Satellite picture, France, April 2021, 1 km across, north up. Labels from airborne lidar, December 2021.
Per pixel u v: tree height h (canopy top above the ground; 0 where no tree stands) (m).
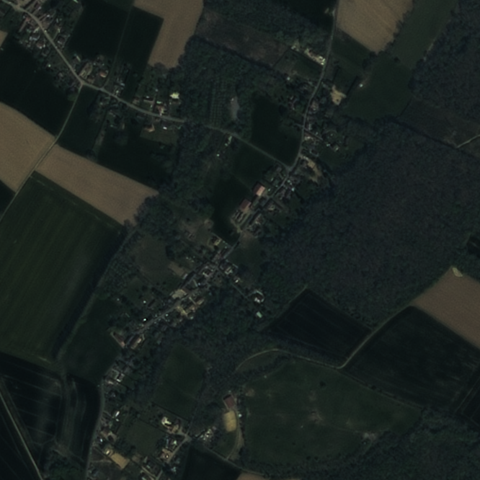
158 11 0
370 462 8
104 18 0
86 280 0
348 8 0
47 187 0
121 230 0
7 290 0
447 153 17
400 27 18
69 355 0
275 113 0
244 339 22
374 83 0
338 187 22
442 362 0
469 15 24
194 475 0
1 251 0
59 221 0
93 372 0
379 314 15
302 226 20
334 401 0
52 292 0
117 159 0
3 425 0
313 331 0
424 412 8
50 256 0
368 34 0
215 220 0
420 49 0
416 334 0
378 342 0
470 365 0
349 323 0
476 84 19
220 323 25
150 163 0
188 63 20
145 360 10
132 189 0
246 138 17
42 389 0
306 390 0
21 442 0
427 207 19
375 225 20
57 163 0
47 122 0
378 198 25
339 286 17
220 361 20
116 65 0
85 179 0
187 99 19
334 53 0
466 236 16
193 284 7
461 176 14
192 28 0
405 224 16
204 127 19
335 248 26
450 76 18
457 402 0
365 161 23
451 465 18
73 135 0
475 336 0
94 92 0
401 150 25
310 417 0
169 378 0
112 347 0
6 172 0
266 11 21
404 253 15
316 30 31
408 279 20
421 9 0
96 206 0
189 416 0
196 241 0
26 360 0
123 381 0
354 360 0
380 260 25
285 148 0
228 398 0
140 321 5
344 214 25
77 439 0
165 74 15
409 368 0
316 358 11
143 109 0
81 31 0
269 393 0
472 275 13
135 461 0
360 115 0
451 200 16
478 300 0
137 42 0
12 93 0
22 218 0
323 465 16
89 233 0
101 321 0
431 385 0
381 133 20
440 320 0
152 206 26
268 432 0
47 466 18
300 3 0
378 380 0
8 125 0
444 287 0
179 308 0
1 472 0
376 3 0
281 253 30
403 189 20
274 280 14
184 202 18
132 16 0
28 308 0
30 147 0
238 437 0
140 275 11
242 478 0
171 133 0
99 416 0
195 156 22
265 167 0
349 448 0
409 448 16
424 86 23
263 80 29
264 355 0
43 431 0
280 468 11
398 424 0
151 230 26
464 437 19
